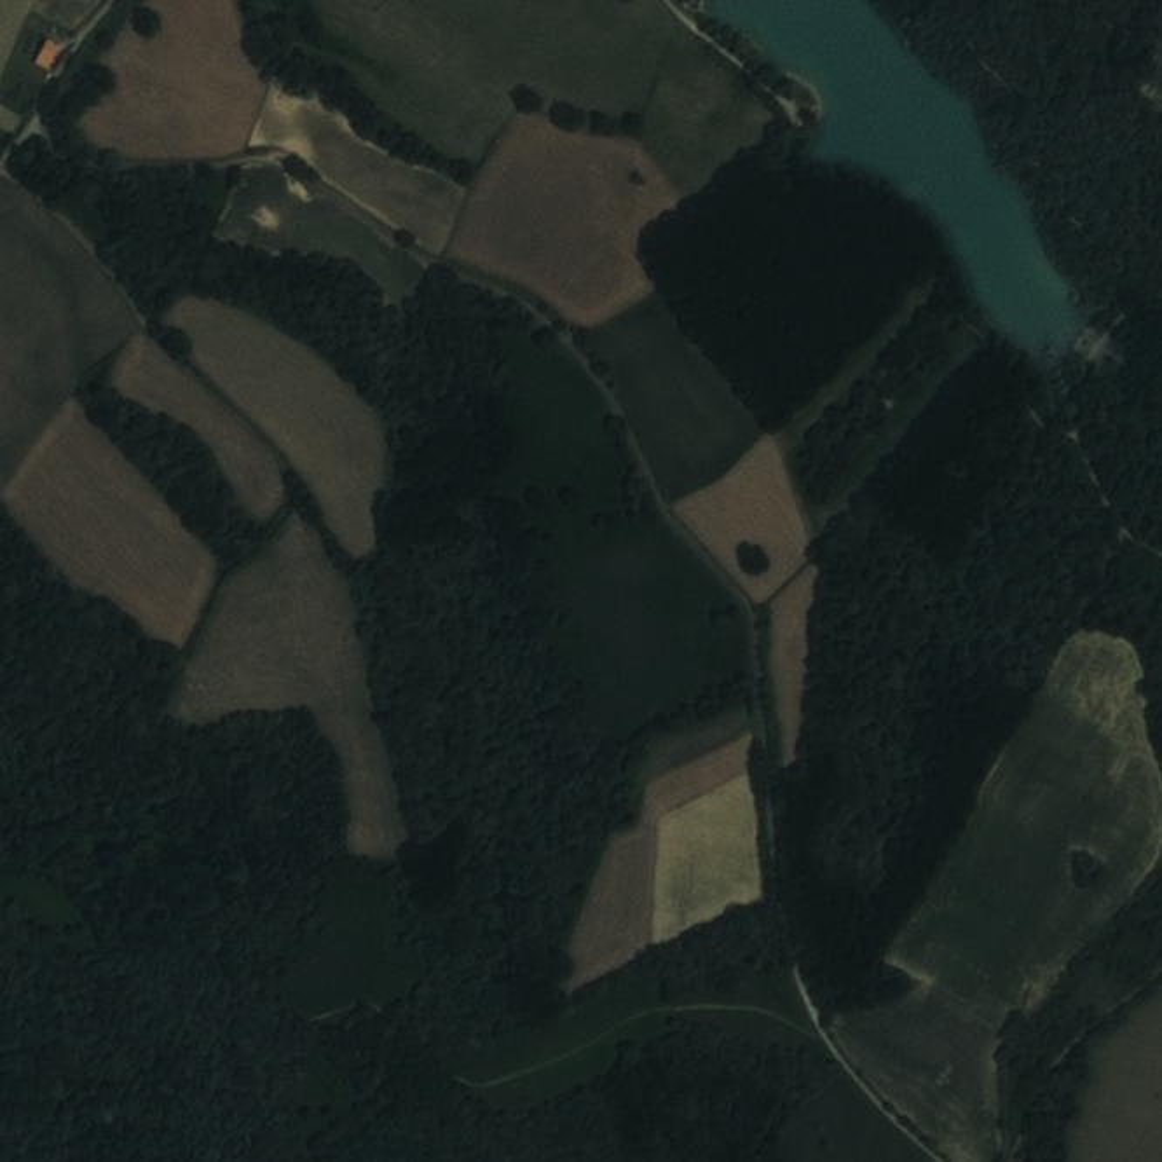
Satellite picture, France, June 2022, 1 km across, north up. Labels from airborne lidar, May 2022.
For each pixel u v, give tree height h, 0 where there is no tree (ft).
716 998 0
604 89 0
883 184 56
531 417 0
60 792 65
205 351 0
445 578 30
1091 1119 0
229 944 38
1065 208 26
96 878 77
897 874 83
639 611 0
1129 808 0
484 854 73
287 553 0
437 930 59
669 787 0
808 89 0
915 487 52
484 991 75
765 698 34
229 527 66
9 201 0
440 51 0
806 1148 0
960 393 82
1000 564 60
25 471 0
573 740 52
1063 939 0
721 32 43
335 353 56
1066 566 20
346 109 41
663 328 0
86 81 62
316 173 24
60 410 0
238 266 61
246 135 0
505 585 68
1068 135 62
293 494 39
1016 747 0
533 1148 55
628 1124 80
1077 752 0
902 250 91
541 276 0
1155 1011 0
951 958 0
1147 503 28
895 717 62
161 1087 69
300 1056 19
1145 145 21
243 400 0
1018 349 33
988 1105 0
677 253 97
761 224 106
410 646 43
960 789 65
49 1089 82
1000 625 50
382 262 0
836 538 50
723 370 43
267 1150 50
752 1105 72
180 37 0
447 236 0
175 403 0
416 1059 52
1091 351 0
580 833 37
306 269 77
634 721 0
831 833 46
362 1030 40
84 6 0
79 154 50
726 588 0
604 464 0
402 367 47
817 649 43
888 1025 0
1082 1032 20
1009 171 32
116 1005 52
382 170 0
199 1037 44
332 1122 31
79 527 0
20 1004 51
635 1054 58
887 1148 0
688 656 0
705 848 0
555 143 0
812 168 65
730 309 95
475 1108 41
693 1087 72
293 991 0
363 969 0
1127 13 68
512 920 109
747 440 0
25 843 82
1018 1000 0
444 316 74
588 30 0
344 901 0
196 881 105
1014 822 0
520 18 0
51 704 41
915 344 75
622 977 38
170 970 59
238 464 0
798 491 0
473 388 63
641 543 0
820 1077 37
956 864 0
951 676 47
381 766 0
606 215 0
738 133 0
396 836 0
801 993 0
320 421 0
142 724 50
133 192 73
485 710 50
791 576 0
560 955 62
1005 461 57
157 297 43
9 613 46
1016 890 0
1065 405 55
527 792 36
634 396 0
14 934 55
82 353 0
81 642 51
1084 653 0
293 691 0
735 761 0
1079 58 82
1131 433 38
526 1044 0
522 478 0
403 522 88
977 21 53
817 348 105
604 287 0
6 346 0
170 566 0
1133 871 0
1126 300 56
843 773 65
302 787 69
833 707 25
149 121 0
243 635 0
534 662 48
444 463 66
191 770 63
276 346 0
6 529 39
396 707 48
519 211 0
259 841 69
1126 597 18
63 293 0
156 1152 52
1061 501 42
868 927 75
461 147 0
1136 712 0
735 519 0
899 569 48
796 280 104
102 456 0
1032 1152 33
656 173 0
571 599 0
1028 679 51
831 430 42
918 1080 0
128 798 45
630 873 0
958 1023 0
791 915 31
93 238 0
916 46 57
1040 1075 37
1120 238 47
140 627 33
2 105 0
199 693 0
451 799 48
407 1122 41
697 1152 76
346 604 0
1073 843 0
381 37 0
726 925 53
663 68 0
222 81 0
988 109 31
